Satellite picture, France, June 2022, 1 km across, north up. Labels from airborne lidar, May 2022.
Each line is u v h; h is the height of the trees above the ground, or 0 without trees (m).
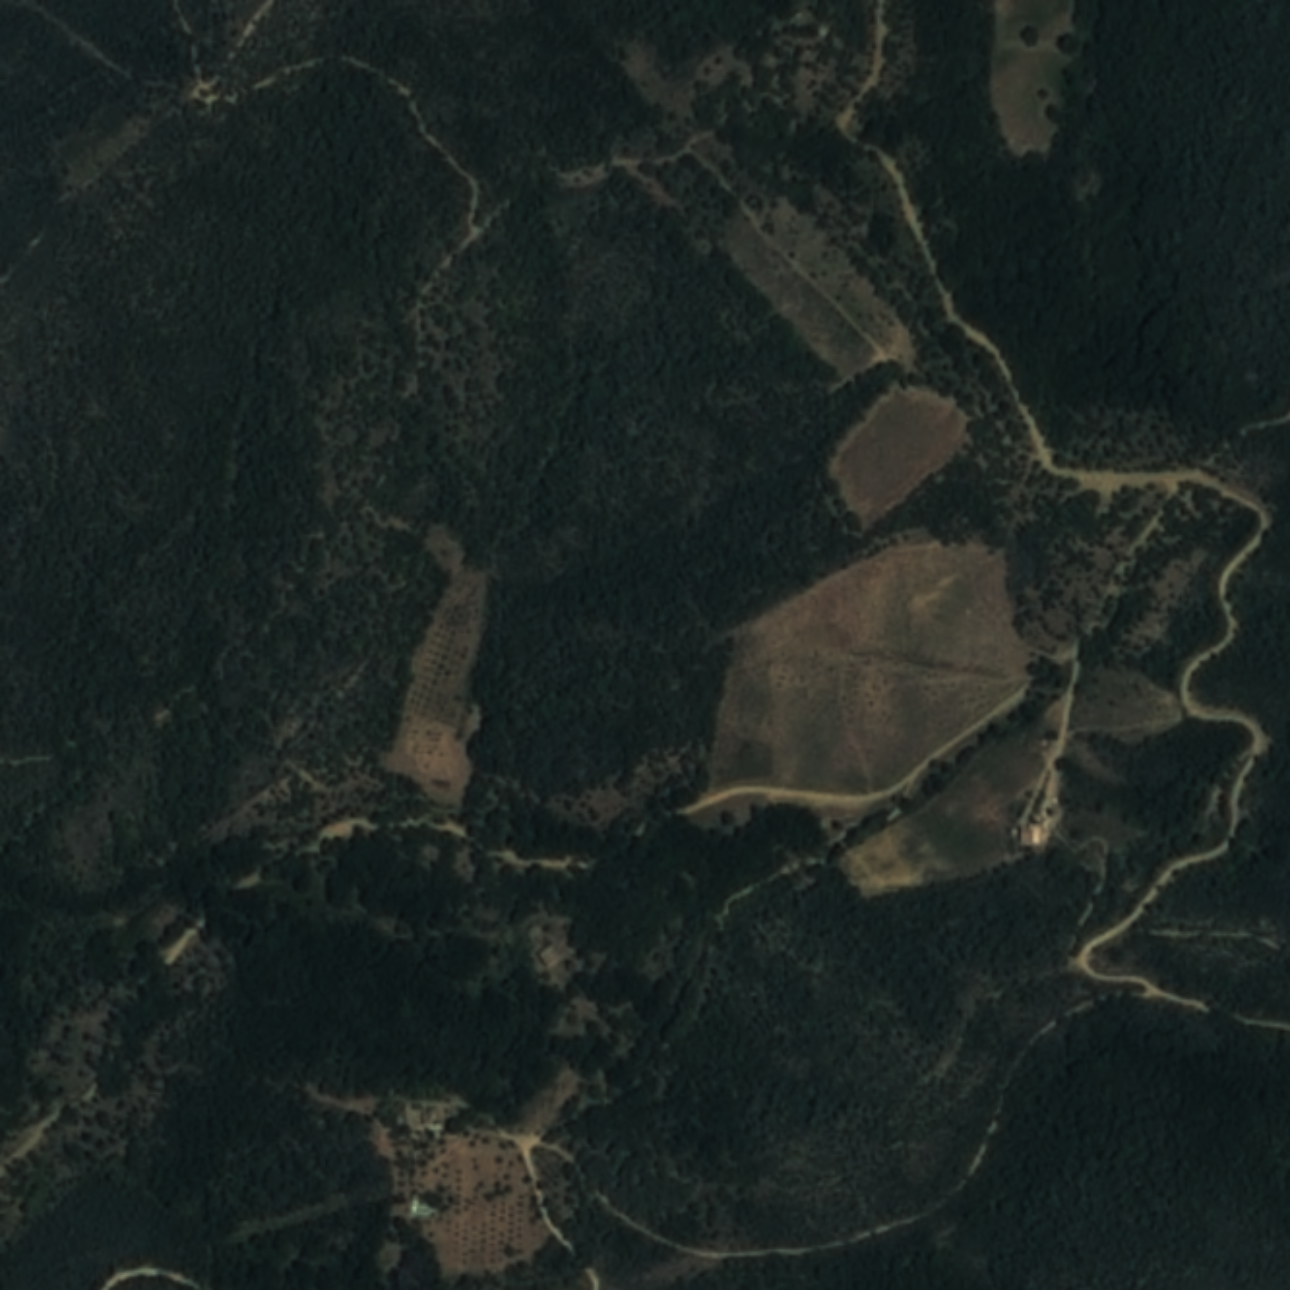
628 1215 8
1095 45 9
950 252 14
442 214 8
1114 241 6
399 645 7
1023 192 9
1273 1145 9
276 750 6
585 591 8
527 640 6
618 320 6
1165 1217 9
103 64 8
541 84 7
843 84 7
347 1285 15
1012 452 8
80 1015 18
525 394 8
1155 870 9
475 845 10
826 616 0
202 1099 6
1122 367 12
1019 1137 13
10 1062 8
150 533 6
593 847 15
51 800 13
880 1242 9
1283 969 7
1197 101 7
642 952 12
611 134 10
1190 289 10
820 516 9
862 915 9
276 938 20
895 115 12
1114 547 9
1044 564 10
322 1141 9
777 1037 6
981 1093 8
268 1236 10
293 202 9
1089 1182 8
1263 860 13
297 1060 11
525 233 10
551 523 7
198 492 9
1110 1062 6
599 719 10
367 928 15
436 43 6
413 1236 11
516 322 8
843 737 0
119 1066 12
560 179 7
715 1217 9
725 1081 8
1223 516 8
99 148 0
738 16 8
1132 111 12
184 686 11
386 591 7
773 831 17
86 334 9
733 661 10
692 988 11
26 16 7
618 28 7
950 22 6
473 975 14
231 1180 9
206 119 8
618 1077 13
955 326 13
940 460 0
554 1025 15
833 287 0
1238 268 8
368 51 8
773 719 0
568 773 13
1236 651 9
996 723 9
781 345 9
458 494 8
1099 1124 9
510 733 7
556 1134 8
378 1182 9
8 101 5
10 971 11
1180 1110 9
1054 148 6
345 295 9
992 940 10
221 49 6
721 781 0
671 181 7
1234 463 6
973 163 7
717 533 7
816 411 9
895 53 8
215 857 12
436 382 9
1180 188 11
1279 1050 11
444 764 0
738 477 6
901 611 0
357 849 15
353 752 8
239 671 6
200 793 6
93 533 9
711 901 12
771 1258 6
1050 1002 6
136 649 7
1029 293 16
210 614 12
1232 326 7
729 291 7
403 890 15
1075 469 8
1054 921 9
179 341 6
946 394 8
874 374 11
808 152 12
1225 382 7
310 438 11
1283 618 10
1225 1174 6
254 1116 8
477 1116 7
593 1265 11
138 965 15
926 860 0
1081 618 7
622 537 7
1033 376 12
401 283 7
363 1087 10
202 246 9
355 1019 15
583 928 12
